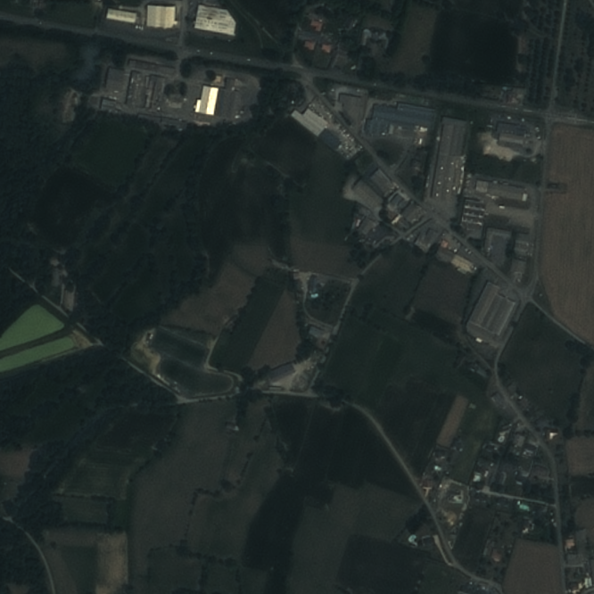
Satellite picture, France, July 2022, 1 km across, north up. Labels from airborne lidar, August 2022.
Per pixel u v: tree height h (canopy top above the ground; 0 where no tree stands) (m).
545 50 12
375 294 0
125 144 0
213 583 0
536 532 0
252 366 0
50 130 7
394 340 0
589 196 0
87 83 10
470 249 0
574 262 0
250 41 0
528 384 0
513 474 0
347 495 0
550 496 8
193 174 9
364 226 0
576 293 0
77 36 7
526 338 0
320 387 17
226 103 0
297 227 0
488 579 0
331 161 0
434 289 0
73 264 20
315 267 0
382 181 0
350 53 12
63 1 8
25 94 30
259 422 0
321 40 0
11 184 25
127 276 14
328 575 0
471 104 0
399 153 0
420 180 11
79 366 18
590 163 0
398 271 0
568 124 0
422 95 0
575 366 0
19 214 22
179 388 0
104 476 0
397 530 0
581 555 0
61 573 0
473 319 0
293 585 0
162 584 0
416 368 0
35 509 22
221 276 0
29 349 0
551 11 7
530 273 0
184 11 0
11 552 22
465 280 0
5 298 19
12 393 21
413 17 0
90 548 0
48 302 0
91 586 0
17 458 0
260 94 12
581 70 11
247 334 0
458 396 0
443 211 0
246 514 0
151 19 0
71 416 0
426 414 0
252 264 0
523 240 0
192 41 0
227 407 0
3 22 12
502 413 0
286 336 0
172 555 0
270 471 0
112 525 15
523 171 0
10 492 0
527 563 0
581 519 0
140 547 0
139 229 0
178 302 16
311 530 0
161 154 0
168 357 0
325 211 0
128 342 6
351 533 0
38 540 12
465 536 0
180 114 0
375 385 0
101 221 16
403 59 0
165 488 0
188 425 0
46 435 0
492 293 0
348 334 0
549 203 0
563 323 0
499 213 0
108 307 10
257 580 0
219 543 0
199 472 0
